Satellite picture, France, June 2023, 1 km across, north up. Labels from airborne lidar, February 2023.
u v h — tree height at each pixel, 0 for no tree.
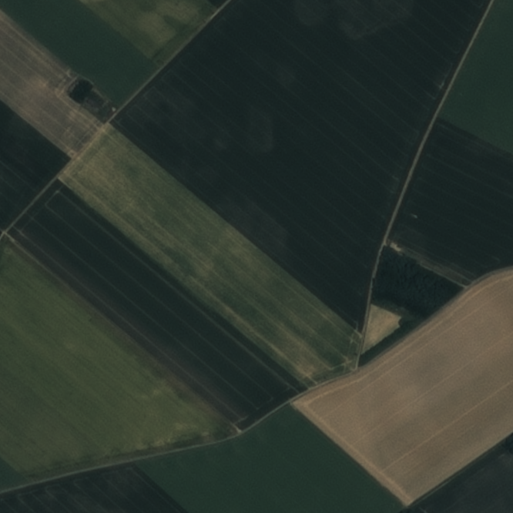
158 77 0
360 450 0
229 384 0
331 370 0
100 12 0
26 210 0
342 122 0
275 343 0
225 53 0
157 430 0
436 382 0
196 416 0
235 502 0
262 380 0
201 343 0
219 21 0
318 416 0
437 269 0
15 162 0
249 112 0
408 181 0
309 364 0
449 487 0
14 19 0
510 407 0
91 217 0
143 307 0
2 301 0
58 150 0
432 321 0
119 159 0
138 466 0
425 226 0
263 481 0
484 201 0
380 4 0
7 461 0
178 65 0
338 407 0
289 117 0
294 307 0
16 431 0
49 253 0
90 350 0
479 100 0
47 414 0
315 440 0
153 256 0
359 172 0
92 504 0
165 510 0
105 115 0
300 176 0
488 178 0
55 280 0
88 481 0
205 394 0
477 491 0
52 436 0
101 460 0
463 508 0
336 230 0
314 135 0
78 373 0
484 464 0
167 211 0
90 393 0
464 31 0
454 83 0
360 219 0
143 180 0
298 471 0
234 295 0
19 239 0
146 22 0
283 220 0
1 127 0
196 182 0
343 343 0
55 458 0
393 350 0
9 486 0
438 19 0
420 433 0
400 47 0
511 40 0
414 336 0
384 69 0
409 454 0
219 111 0
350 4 0
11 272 0
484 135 0
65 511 0
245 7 0
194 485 0
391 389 0
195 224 0
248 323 0
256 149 0
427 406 0
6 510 0
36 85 0
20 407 0
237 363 0
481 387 0
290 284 0
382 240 0
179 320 0
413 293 16
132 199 0
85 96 7
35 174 0
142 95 0
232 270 0
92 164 0
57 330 0
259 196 0
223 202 0
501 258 0
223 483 0
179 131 0
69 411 0
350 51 0
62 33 0
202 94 0
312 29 0
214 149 0
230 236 0
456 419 0
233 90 0
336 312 0
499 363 0
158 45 0
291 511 0
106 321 0
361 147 0
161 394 0
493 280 0
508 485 0
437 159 0
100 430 0
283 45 0
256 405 0
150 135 0
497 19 0
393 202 0
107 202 0
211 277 0
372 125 0
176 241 0
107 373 0
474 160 0
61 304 0
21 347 0
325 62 0
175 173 0
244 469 0
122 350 0
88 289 0
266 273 0
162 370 0
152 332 0
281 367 0
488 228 0
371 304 0
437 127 0
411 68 0
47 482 0
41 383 0
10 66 0
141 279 0
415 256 0
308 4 0
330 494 0
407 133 0
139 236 0
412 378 0
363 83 0
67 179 0
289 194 0
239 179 0
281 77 0
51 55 0
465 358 0
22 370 0
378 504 0
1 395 0
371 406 0
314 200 0
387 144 0
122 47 0
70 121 0
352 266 0
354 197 0
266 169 0
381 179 0
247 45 0
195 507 0
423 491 0
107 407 0
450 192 0
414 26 0
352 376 0
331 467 0
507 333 0
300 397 0
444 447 0
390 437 0
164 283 0
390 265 15
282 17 0
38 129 0
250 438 0
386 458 0
